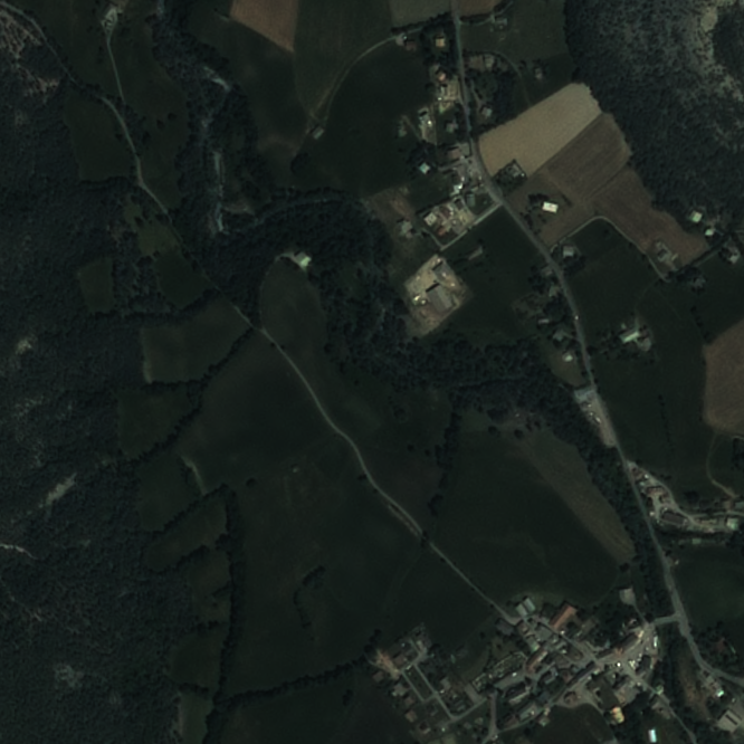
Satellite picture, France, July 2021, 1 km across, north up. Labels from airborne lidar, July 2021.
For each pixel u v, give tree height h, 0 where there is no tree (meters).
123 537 10
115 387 18
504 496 0
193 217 18
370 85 0
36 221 9
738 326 0
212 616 0
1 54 7
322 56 0
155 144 0
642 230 0
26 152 10
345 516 0
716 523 0
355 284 0
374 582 0
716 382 0
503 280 0
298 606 10
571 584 0
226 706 18
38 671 7
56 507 8
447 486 9
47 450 7
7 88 9
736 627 0
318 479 0
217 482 0
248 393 0
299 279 0
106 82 0
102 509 10
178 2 9
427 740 0
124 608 10
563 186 0
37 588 15
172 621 12
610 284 0
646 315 0
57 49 15
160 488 0
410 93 0
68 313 14
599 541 0
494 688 11
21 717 8
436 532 0
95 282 0
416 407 0
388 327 17
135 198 14
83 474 10
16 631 12
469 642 0
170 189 0
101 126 0
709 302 0
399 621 0
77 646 7
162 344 0
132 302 16
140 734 10
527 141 0
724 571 0
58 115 12
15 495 8
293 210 11
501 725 10
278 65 0
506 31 0
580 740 0
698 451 0
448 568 0
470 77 7
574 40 12
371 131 0
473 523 0
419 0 0
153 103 0
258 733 0
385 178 0
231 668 12
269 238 12
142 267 15
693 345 0
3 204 12
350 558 0
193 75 14
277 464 0
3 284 11
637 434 0
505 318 0
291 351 0
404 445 0
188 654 0
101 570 12
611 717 10
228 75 9
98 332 18
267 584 0
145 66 0
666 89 7
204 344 0
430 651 8
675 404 0
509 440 0
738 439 10
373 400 0
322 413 0
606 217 0
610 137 0
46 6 0
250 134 9
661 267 0
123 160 0
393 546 0
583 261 22
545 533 0
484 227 0
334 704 0
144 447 0
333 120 0
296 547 0
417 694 0
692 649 0
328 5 0
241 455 0
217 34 0
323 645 0
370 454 0
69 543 10
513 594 0
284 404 0
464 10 0
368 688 0
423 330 0
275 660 0
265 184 7
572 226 0
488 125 9
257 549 0
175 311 17
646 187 8
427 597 0
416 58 0
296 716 0
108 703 6
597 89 9
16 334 12
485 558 0
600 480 11
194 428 0
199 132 18
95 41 0
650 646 0
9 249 8
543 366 10
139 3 0
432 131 0
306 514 0
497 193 0
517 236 0
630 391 0
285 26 0
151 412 0
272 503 0
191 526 0
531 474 0
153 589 14
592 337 0
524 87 0
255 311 16
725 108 6
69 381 10
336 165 0
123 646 9
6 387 8
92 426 10
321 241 9
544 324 14
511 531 0
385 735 0
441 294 0
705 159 7
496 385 16
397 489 0
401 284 0
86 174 0
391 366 14
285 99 0
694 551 0
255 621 0
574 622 12
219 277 15
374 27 0
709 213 9
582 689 0
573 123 0
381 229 7
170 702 7
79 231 10
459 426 22
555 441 0
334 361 7
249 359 0
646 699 16
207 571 0
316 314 0
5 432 6
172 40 12
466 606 0
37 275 10
